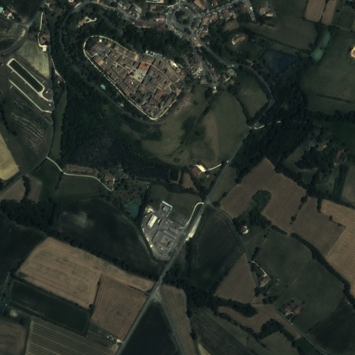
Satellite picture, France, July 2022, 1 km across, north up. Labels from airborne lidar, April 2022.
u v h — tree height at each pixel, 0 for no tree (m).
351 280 0
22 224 19
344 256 0
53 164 0
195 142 0
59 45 11
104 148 10
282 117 9
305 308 0
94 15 12
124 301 0
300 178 16
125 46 13
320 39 22
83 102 14
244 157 6
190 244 12
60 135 0
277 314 0
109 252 0
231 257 0
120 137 7
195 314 0
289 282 0
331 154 7
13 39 0
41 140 0
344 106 0
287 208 0
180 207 0
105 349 0
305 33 0
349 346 0
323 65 0
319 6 0
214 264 0
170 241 0
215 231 0
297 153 0
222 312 0
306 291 0
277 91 18
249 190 0
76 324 0
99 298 0
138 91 8
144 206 12
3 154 0
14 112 0
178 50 0
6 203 22
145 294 0
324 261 9
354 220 0
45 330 0
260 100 0
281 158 11
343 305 0
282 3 0
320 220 0
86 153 9
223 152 0
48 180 0
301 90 27
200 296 20
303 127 10
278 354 0
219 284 10
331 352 0
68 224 0
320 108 0
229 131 0
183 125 0
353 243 0
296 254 0
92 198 0
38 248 0
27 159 0
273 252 0
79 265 0
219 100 0
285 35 0
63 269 0
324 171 16
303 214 0
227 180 0
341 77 0
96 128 9
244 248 0
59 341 0
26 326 27
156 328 0
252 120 7
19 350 0
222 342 0
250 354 0
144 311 0
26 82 0
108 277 0
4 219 0
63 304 0
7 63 0
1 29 0
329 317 0
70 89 7
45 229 17
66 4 8
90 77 9
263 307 0
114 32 10
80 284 0
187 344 0
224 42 16
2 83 0
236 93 9
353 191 0
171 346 0
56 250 0
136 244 0
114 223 0
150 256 0
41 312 0
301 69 27
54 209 17
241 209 0
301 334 0
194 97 0
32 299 0
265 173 0
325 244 0
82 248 19
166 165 6
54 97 6
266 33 0
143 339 0
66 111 10
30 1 0
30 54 0
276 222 0
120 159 12
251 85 0
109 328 0
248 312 17
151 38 6
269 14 0
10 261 0
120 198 8
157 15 0
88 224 0
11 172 0
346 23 0
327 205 0
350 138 0
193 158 0
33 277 0
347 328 0
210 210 0
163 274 0
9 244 0
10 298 0
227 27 0
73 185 0
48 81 0
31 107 0
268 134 12
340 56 0
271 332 13
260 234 0
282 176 0
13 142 0
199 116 0
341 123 0
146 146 0
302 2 0
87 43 7
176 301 0
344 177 6
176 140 0
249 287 0
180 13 10
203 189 16
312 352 0
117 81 0
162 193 0
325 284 0
